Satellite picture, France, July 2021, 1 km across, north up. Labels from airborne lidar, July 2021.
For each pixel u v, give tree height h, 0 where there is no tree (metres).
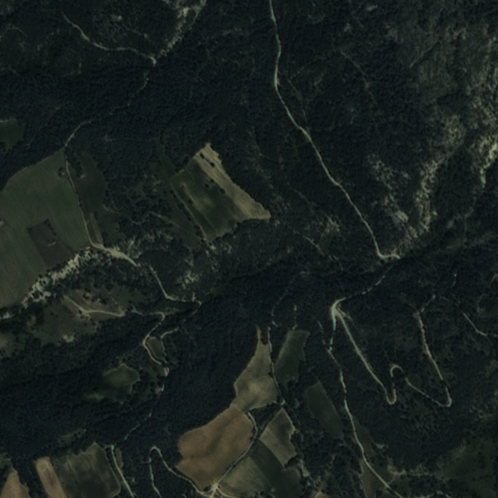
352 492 9
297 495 0
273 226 10
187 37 16
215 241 9
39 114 14
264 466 0
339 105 17
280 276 10
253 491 0
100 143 7
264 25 8
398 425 13
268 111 12
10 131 0
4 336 0
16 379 7
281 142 17
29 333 7
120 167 8
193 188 0
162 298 11
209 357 9
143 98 14
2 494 0
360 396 9
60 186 0
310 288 11
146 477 6
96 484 0
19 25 7
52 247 0
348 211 12
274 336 9
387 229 16
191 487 9
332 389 10
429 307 7
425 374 12
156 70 16
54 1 15
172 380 13
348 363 13
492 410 9
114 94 11
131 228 8
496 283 10
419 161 10
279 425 0
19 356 6
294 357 0
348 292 11
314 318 6
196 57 14
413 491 8
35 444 13
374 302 15
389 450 9
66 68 9
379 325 11
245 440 0
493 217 12
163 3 16
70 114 11
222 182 0
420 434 13
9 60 7
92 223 0
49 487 0
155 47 11
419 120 13
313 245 10
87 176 0
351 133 12
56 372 18
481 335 11
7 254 0
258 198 9
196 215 0
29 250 0
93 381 15
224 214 0
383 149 11
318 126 10
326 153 9
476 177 7
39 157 8
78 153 7
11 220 0
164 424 9
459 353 12
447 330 9
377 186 14
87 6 16
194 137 7
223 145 14
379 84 8
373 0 11
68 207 0
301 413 10
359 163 12
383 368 8
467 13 8
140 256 10
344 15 7
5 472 8
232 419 0
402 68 6
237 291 7
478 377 8
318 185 14
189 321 12
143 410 9
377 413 9
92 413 14
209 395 10
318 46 12
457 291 13
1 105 14
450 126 0
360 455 9
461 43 7
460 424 12
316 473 8
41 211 0
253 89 9
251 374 0
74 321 0
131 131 11
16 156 10
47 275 8
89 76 9
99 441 7
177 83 13
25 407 11
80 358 11
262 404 0
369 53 8
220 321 10
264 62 7
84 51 10
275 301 6
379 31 6
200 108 10
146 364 10
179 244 7
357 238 10
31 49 10
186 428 10
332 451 8
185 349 8
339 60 15
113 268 7
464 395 8
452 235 20
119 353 8
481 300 7
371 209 11
